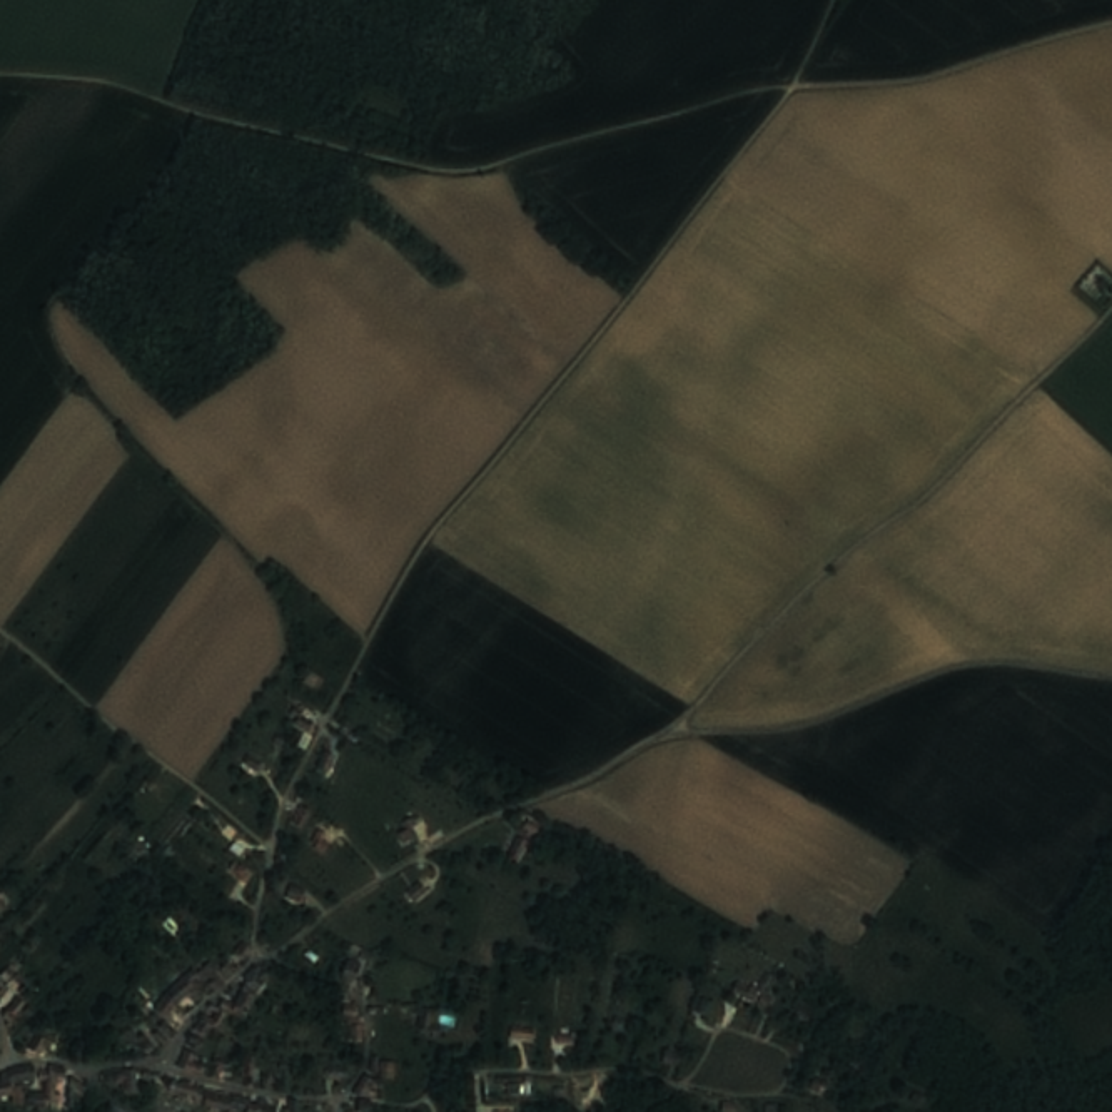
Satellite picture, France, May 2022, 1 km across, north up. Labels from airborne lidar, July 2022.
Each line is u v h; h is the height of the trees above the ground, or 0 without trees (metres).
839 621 0
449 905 8
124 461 0
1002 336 0
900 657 0
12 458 0
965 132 0
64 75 0
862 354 0
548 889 8
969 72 0
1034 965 11
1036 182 0
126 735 14
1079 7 0
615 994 9
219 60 13
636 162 0
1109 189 0
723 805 0
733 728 0
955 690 0
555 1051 0
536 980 14
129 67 0
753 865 0
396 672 0
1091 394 0
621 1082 9
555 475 0
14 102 0
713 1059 0
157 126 0
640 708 0
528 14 21
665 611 0
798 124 0
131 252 12
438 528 0
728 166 0
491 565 0
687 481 0
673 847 0
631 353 0
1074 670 0
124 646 0
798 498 0
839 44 0
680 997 0
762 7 0
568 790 0
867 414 0
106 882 10
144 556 0
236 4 14
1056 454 0
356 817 0
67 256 0
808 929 0
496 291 0
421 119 14
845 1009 11
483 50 20
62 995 7
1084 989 13
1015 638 0
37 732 0
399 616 0
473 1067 19
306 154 12
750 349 0
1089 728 0
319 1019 6
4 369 0
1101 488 0
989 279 0
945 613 0
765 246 0
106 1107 10
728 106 0
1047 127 0
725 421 0
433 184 0
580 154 0
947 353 0
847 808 0
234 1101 0
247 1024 6
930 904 0
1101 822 0
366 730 9
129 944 15
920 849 0
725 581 0
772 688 0
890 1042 16
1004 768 0
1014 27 0
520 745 0
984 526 0
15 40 0
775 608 0
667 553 0
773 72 0
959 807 0
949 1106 6
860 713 0
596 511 0
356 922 0
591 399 0
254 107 13
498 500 0
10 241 0
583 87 0
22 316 0
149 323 14
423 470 0
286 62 9
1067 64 0
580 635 0
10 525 0
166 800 0
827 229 0
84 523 0
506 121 0
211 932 13
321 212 19
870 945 0
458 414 0
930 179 0
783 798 0
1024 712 0
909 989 0
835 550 0
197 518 0
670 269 0
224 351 19
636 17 0
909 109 0
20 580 0
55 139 0
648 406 0
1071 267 0
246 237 16
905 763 0
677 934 0
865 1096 15
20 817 0
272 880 14
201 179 16
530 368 0
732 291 0
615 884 22
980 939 7
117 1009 16
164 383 9
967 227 0
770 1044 0
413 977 0
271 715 11
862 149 0
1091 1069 12
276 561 9
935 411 0
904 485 0
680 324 0
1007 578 0
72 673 0
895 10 0
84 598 0
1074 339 0
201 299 7
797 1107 0
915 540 0
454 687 0
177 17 0
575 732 0
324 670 0
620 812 0
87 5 0
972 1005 0
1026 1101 18
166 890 15
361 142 12
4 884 10
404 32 14
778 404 0
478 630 0
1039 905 0
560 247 14
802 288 0
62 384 0
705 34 0
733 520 0
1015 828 0
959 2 0
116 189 0
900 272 0
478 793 6
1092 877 16
